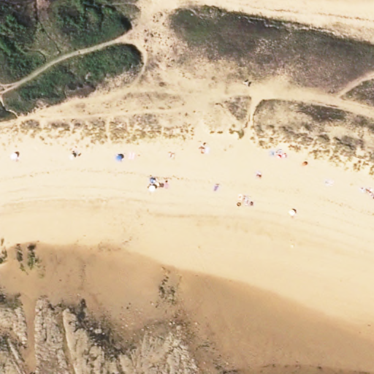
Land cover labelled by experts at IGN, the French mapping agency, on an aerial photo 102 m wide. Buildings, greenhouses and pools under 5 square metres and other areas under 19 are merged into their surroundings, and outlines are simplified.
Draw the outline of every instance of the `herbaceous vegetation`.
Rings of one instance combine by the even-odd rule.
[[[0,0],[0,20],[10,15],[16,19],[16,23],[25,28],[32,25],[31,20],[28,16],[28,7],[32,0]]]
[[[4,93],[4,99],[0,102],[0,121],[12,120],[20,114],[29,112],[37,108],[39,99],[23,99],[18,89]]]
[[[34,47],[38,54],[47,58],[47,61],[76,50],[67,42],[66,35],[61,35],[60,29],[53,25],[50,16],[45,20],[39,19]]]
[[[235,61],[237,58],[245,58],[257,64],[302,64],[308,82],[313,79],[326,82],[327,77],[332,76],[333,88],[339,91],[356,77],[374,70],[374,44],[354,38],[336,37],[318,28],[297,20],[229,12],[216,6],[177,9],[169,16],[169,28],[175,32],[177,38],[186,41],[188,47],[216,48],[224,58],[232,58]]]

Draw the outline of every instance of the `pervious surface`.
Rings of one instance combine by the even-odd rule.
[[[374,44],[374,28],[336,22],[329,23],[326,28],[318,28],[336,37],[354,38]]]
[[[0,82],[0,102],[4,99],[4,93],[18,89],[19,86],[26,85],[67,58],[85,56],[111,45],[124,44],[120,37],[76,50],[47,61],[16,82]]]
[[[118,121],[118,129],[123,127],[127,130],[130,127],[130,117],[134,114],[155,114],[161,126],[193,124],[194,129],[203,118],[210,134],[218,134],[219,130],[228,134],[229,129],[241,130],[240,120],[245,118],[248,110],[259,112],[266,108],[275,111],[276,105],[279,105],[285,112],[299,112],[299,102],[352,111],[374,120],[374,107],[364,102],[352,101],[346,93],[367,80],[374,80],[374,70],[356,77],[339,91],[335,95],[329,95],[320,89],[299,88],[289,83],[288,75],[269,77],[251,86],[241,80],[232,82],[226,79],[226,75],[237,72],[235,61],[232,58],[224,58],[209,61],[206,57],[193,58],[177,69],[167,69],[165,64],[161,63],[158,66],[153,63],[153,58],[142,58],[142,63],[133,64],[127,72],[115,77],[105,77],[104,82],[89,96],[73,96],[61,104],[37,108],[29,112],[34,120],[39,121],[39,131],[47,131],[48,139],[60,139],[66,134],[61,127],[53,129],[51,123],[54,121],[69,124],[69,133],[73,134],[79,129],[75,126],[76,120],[83,121],[88,124],[88,129],[92,129],[91,120],[104,118],[105,134],[107,140],[111,140],[111,121],[115,118]]]

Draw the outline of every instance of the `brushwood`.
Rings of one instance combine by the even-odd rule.
[[[18,89],[23,99],[39,99],[37,108],[61,104],[73,96],[89,96],[104,82],[105,77],[115,77],[127,72],[133,64],[142,63],[142,58],[142,54],[134,45],[124,44],[111,45],[85,56],[67,58],[26,85],[19,86]]]
[[[115,9],[115,0],[47,0],[50,16],[53,25],[60,29],[61,35],[66,35],[67,42],[76,50],[120,37],[127,31],[120,23],[124,15]]]
[[[10,15],[0,20],[0,82],[16,82],[47,61],[47,58],[38,54],[34,47],[39,19],[31,20],[32,25],[25,28],[16,23],[16,19]]]

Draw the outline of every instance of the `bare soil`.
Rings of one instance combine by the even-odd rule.
[[[20,114],[12,120],[0,121],[0,374],[374,374],[374,120],[352,111],[299,102],[299,112],[285,112],[279,105],[276,105],[275,111],[266,108],[259,112],[248,110],[245,118],[240,120],[241,130],[229,129],[228,134],[219,130],[218,134],[210,134],[203,118],[194,129],[193,124],[161,126],[155,114],[134,114],[130,117],[130,127],[127,130],[123,127],[118,129],[118,121],[115,118],[111,121],[111,140],[107,140],[105,134],[104,118],[91,120],[92,129],[88,129],[88,124],[83,121],[76,120],[75,126],[79,129],[73,134],[69,133],[69,124],[54,121],[51,123],[53,129],[61,127],[66,134],[60,139],[48,139],[47,131],[39,131],[39,121],[34,120],[29,112]]]
[[[39,19],[45,20],[50,16],[47,0],[32,0],[28,7],[28,16],[31,20]]]
[[[364,102],[374,107],[374,80],[367,80],[346,93],[352,101]]]
[[[161,63],[165,64],[167,69],[177,69],[193,58],[206,57],[209,61],[224,58],[216,48],[188,47],[186,41],[177,38],[175,32],[169,28],[169,16],[177,9],[216,6],[229,12],[297,20],[318,28],[326,28],[329,23],[336,22],[374,28],[374,0],[115,0],[115,9],[124,15],[120,23],[127,31],[120,37],[124,44],[134,45],[142,54],[142,58],[153,58],[153,63],[158,66]]]
[[[332,76],[327,77],[326,82],[313,79],[308,82],[302,64],[257,64],[245,58],[237,58],[235,61],[237,72],[226,75],[226,79],[232,82],[241,80],[251,86],[269,77],[288,75],[289,83],[299,88],[320,89],[329,95],[335,95],[339,91],[333,88]]]

